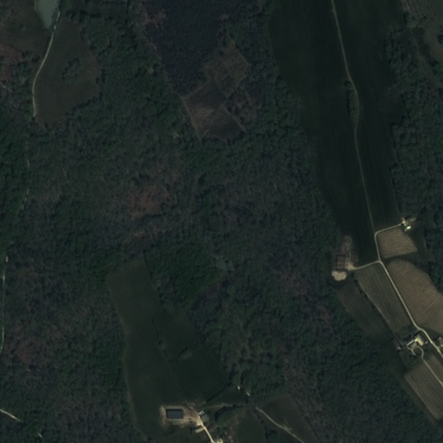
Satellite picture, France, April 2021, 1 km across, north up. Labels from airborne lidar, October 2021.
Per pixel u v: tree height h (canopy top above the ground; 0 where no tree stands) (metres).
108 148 21
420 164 19
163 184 18
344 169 0
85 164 20
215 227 17
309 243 22
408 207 20
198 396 0
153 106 22
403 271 0
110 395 17
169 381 0
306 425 0
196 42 11
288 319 22
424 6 0
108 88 22
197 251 16
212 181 24
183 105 12
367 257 0
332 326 10
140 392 0
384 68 0
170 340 0
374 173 0
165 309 17
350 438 15
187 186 18
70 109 0
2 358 18
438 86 0
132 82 24
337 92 0
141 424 0
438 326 0
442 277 25
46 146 20
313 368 29
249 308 19
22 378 16
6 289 26
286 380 16
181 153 26
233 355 25
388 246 0
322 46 0
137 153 16
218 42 16
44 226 17
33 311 21
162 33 15
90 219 19
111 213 15
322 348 24
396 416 28
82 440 16
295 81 0
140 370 0
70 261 24
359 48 0
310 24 0
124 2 14
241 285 23
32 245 20
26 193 21
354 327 22
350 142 0
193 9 12
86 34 19
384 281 0
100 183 20
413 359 13
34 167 23
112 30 21
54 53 0
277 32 0
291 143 25
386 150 0
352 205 0
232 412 18
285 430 0
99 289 13
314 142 0
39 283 15
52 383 20
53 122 0
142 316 0
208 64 14
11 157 23
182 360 0
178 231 13
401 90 14
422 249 0
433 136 19
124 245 11
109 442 16
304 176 23
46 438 25
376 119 0
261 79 13
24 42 0
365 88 0
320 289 21
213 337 25
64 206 21
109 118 15
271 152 24
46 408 24
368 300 9
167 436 0
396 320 0
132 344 0
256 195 15
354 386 21
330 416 19
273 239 18
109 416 18
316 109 0
